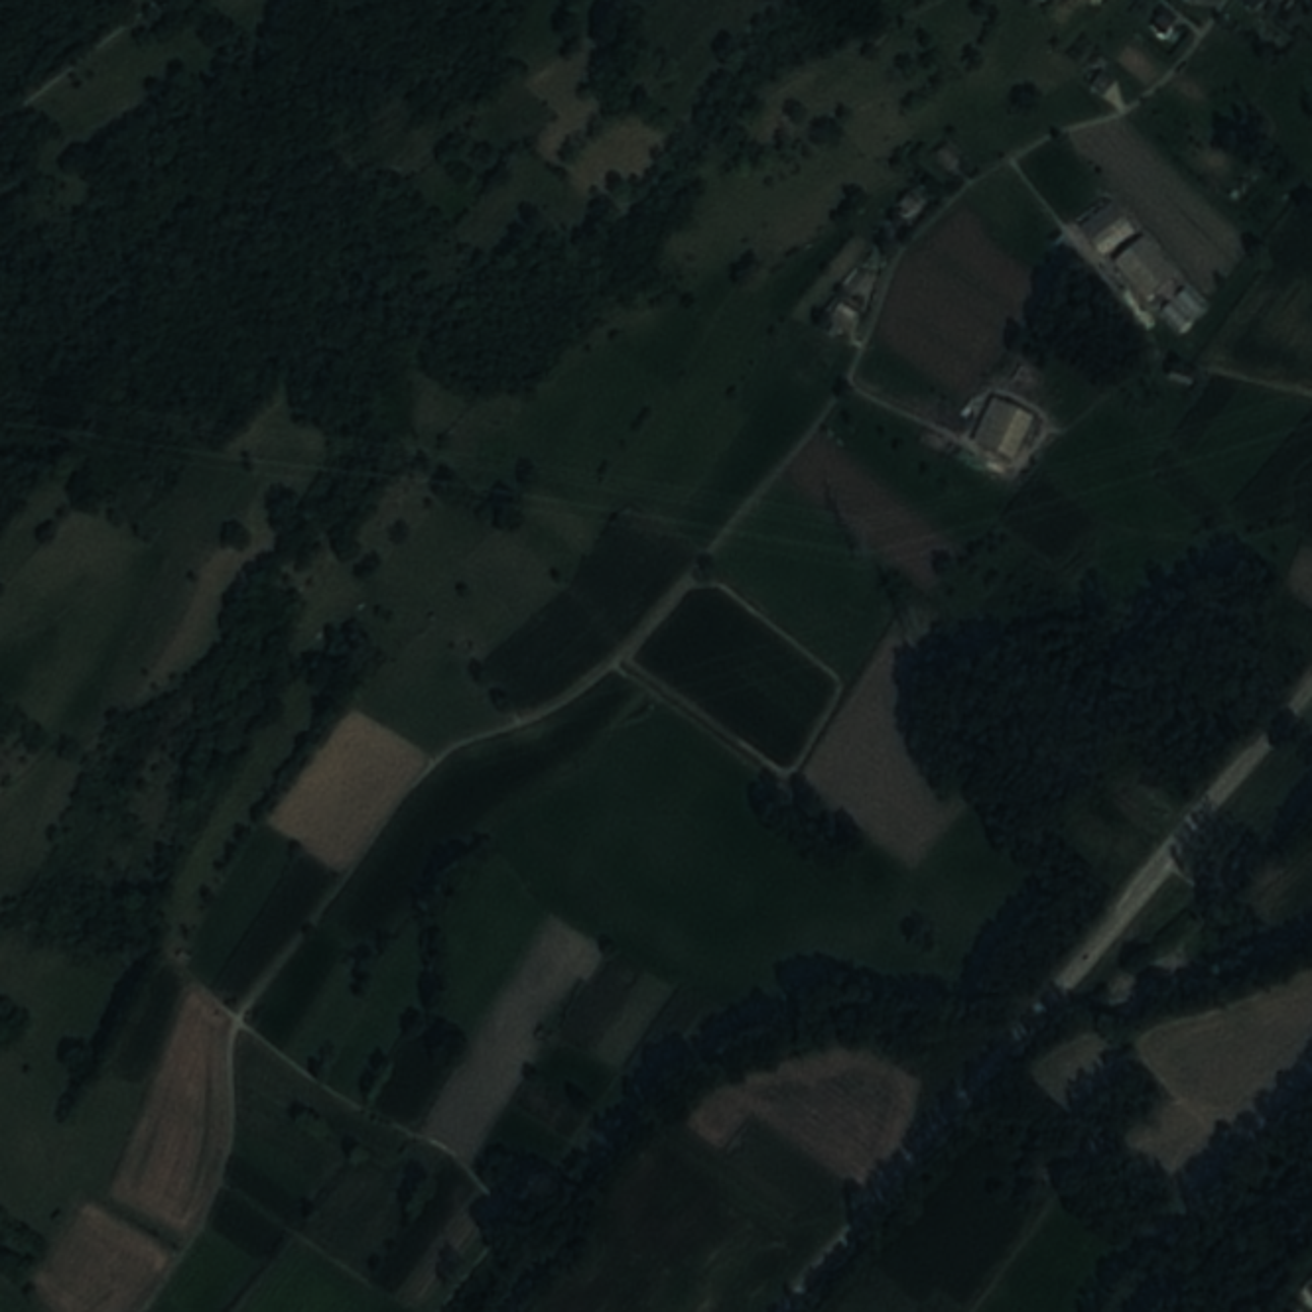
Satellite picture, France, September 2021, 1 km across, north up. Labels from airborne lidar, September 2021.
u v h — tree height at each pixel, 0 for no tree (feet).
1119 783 0
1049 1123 80
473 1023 0
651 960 0
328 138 51
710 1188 0
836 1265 42
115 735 38
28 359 47
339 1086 0
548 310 54
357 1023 0
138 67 0
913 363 0
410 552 0
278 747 0
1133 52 0
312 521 89
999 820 76
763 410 0
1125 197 0
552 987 0
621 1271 0
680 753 0
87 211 31
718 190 0
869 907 0
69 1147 0
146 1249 0
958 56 0
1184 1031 0
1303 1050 0
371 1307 0
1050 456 0
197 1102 0
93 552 0
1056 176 0
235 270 59
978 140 0
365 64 31
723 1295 0
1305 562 0
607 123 52
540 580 0
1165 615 75
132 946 65
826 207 0
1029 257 0
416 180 19
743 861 0
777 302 0
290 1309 0
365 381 27
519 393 53
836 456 0
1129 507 0
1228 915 68
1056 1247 0
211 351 68
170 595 0
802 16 61
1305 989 0
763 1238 0
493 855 18
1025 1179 54
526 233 55
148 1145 0
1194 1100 0
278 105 79
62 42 53
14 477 83
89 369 51
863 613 0
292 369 76
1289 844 72
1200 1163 0
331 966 0
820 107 0
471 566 0
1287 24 44
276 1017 0
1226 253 0
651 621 0
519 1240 97
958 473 0
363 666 76
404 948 0
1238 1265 34
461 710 0
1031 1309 0
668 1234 0
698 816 0
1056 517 53
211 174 69
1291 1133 86
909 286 0
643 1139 78
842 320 0
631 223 34
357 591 0
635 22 67
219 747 62
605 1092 0
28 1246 43
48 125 48
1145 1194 94
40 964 0
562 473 0
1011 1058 64
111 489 18
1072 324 79
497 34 73
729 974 0
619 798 0
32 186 63
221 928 0
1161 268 0
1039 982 81
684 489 0
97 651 0
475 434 0
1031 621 18
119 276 30
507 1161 47
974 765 89
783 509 0
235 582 0
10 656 0
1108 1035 69
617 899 0
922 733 79
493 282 51
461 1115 0
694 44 0
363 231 52
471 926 0
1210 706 86
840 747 0
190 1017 0
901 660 0
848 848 73
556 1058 0
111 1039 64
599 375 0
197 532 0
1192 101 0
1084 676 50
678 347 0
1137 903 0
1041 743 108
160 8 52
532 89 0
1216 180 0
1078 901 68
